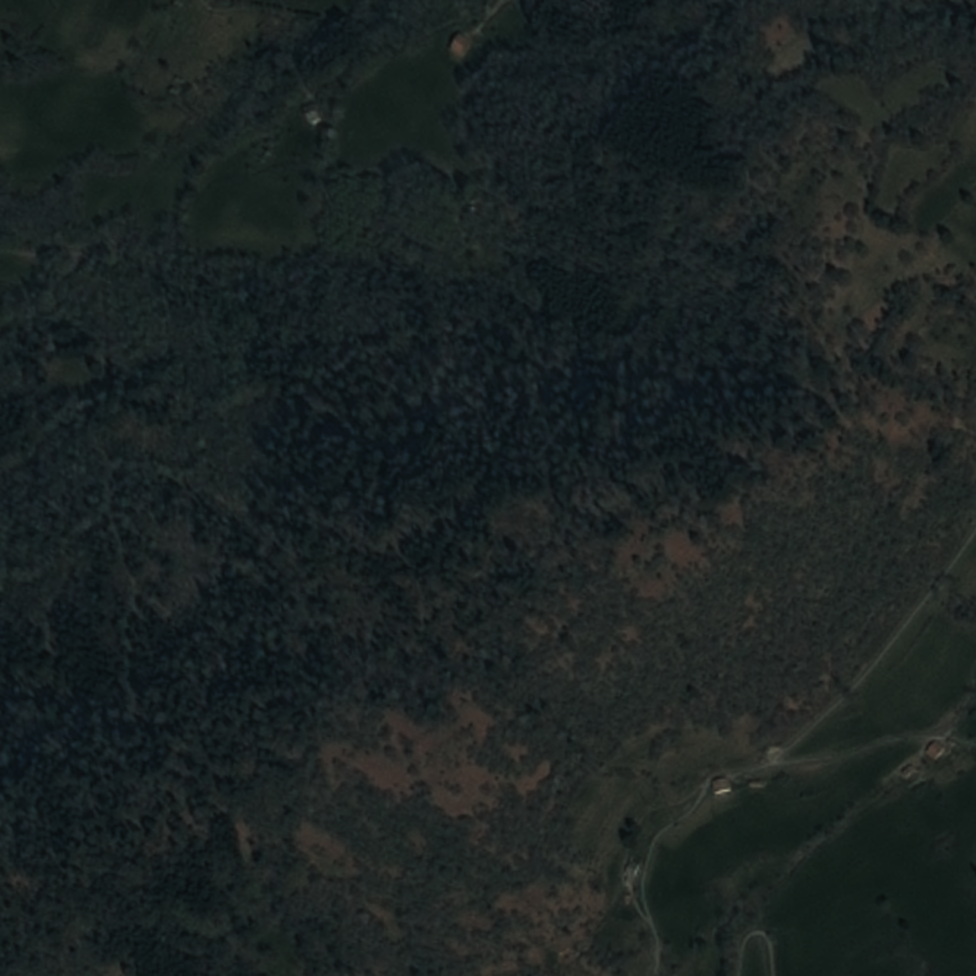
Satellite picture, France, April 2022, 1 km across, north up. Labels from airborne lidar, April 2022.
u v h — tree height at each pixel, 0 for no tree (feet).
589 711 73
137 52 71
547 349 81
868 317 0
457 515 81
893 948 0
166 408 26
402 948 29
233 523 34
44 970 61
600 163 58
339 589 42
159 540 38
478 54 0
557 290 92
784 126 33
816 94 38
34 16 0
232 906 28
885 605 44
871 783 0
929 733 0
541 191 72
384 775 0
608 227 57
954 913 0
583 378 62
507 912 26
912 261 52
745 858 0
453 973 58
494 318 89
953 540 19
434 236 39
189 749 117
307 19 30
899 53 19
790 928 0
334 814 59
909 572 63
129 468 68
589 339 79
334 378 89
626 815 0
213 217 0
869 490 68
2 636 52
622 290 98
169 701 75
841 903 0
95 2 0
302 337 82
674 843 0
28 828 94
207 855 40
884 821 0
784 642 48
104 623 52
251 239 0
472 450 79
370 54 71
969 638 0
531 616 26
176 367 60
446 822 59
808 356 19
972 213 0
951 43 22
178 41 0
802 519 60
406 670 30
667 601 35
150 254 82
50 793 75
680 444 53
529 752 21
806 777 0
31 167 0
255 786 55
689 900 0
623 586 21
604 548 23
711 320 109
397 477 84
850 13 44
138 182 0
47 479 81
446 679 22
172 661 48
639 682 45
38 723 69
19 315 84
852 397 31
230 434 52
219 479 37
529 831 56
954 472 18
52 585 22
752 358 82
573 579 39
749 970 0
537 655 17
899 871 0
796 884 0
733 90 23
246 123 83
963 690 0
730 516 0
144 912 68
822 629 68
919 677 0
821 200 0
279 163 0
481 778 0
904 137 22
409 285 94
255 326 53
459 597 81
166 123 0
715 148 23
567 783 50
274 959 70
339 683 28
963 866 0
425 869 68
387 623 30
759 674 72
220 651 25
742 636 19
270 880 27
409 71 0
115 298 51
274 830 57
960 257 0
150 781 84
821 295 56
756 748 50
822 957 0
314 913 34
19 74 77
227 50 0
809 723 58
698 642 24
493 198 41
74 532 64
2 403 34
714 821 0
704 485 81
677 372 82
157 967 63
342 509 104
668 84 83
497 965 40
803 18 40
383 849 49
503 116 69
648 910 0
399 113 0
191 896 58
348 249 51
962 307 47
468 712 0
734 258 56
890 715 0
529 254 86
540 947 55
